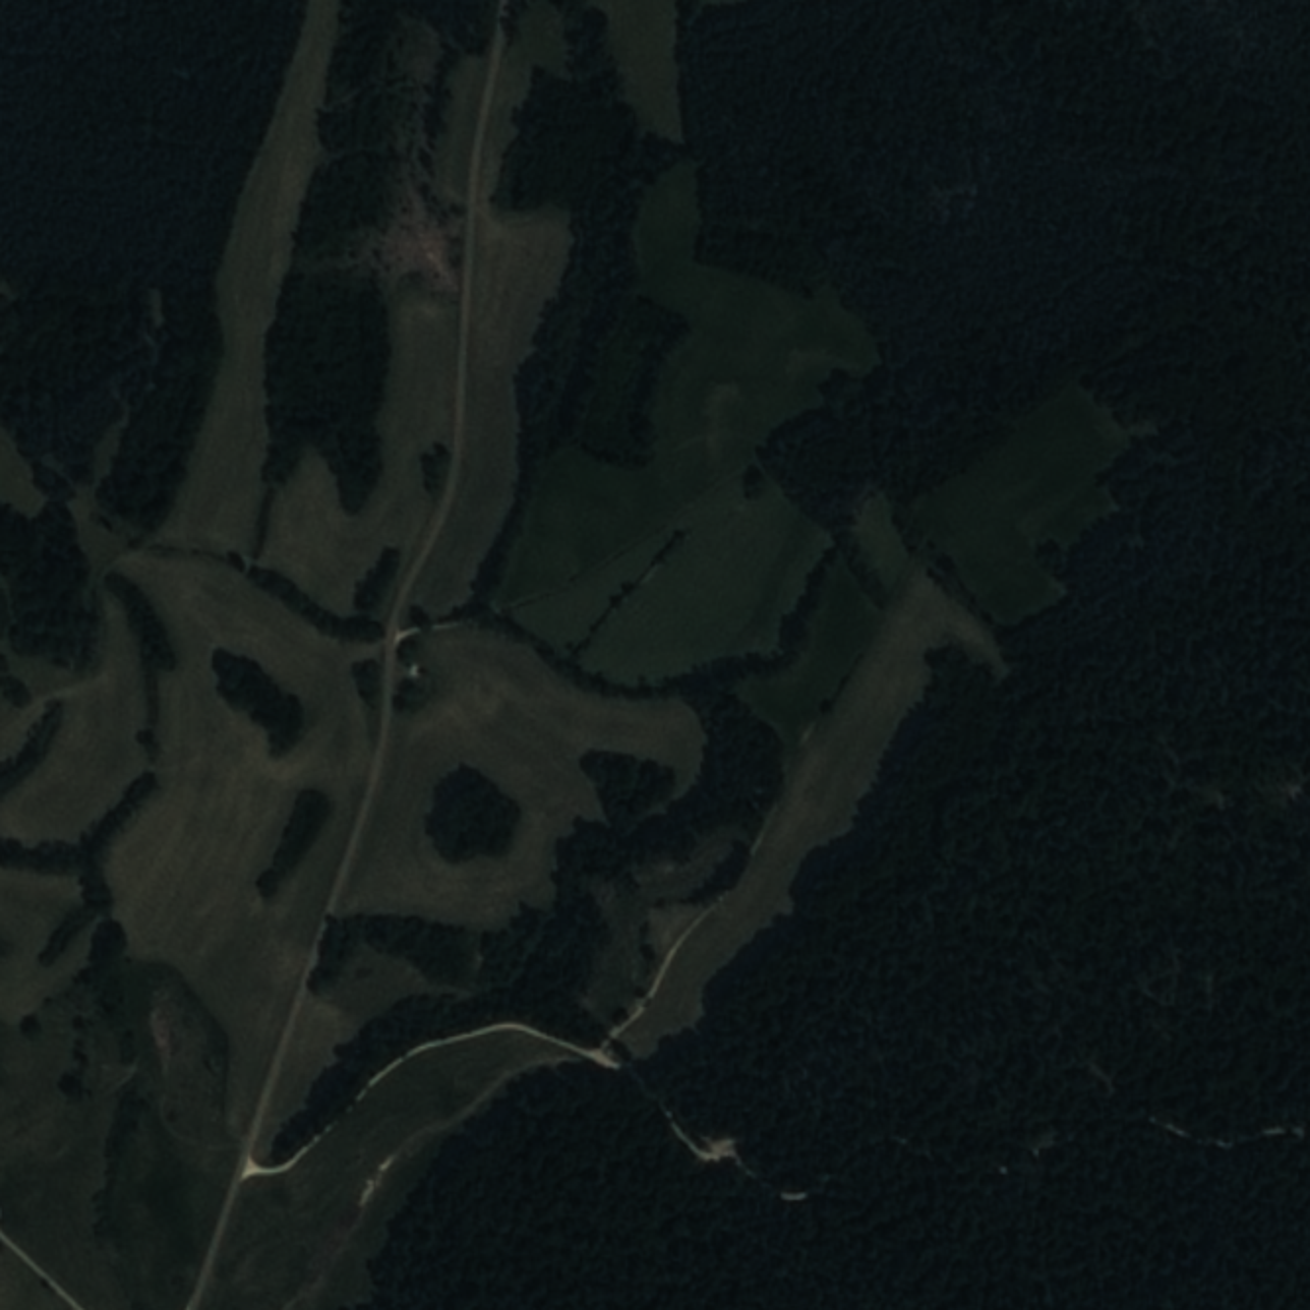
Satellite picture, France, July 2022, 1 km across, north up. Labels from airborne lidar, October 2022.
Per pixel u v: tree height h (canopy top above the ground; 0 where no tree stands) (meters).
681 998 0
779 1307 26
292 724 19
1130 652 26
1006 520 0
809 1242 20
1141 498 14
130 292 6
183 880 0
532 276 0
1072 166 25
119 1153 9
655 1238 12
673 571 0
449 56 18
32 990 0
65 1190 0
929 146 30
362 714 0
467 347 0
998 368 27
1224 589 21
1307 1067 20
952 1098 25
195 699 0
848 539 15
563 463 0
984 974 19
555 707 0
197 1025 0
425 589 0
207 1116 0
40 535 7
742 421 0
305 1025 0
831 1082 31
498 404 0
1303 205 28
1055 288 22
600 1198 10
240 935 0
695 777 0
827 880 24
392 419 0
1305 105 10
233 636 0
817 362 0
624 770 23
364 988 0
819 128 24
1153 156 26
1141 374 28
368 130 10
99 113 21
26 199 21
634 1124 22
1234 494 26
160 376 18
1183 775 14
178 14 15
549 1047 0
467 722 0
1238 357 24
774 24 18
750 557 0
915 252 19
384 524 0
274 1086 0
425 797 0
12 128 18
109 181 23
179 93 18
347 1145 0
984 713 10
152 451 16
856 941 14
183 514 0
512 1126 22
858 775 0
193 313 21
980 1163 16
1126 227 18
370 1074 10
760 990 23
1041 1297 18
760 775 19
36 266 15
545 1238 16
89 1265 0
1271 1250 16
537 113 14
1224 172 11
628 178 22
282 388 7
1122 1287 16
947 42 24
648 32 0
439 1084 0
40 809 0
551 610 0
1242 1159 16
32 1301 0
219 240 14
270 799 0
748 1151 21
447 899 0
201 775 0
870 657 0
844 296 10
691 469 0
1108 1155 17
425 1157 0
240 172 23
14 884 0
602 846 14
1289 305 24
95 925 0
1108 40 20
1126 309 24
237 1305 0
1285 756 17
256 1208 0
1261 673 25
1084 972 19
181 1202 0
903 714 0
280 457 17
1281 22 15
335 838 0
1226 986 11
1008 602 0
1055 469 0
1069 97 25
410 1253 10
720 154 18
